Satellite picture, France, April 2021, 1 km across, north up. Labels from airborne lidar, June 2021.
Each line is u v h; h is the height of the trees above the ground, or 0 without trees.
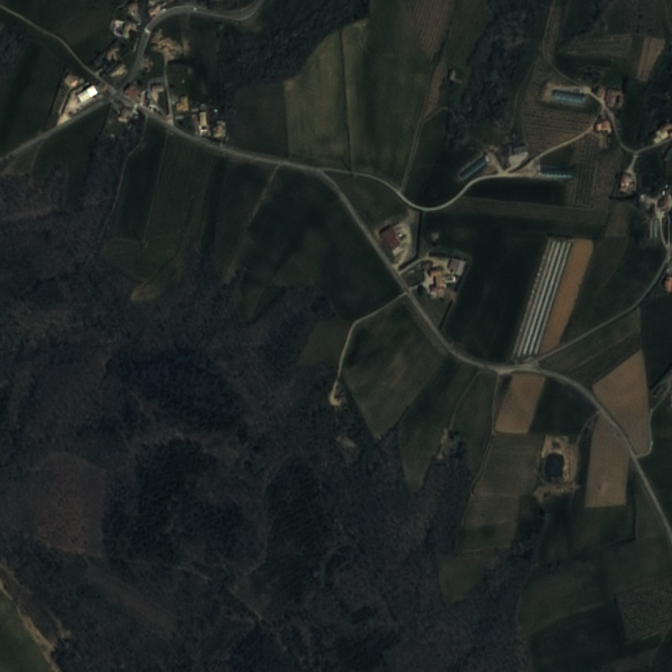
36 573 20
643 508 0
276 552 6
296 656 10
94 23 0
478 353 0
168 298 9
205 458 19
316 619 14
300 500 6
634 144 0
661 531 0
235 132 0
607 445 0
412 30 0
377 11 0
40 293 15
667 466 0
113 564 17
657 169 0
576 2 0
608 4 8
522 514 0
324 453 11
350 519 21
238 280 7
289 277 0
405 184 0
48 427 13
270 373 19
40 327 16
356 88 0
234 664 18
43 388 16
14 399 10
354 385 0
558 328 0
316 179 0
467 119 16
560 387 0
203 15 0
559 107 0
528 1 18
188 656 18
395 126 0
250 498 20
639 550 0
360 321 0
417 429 0
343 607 13
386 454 12
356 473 12
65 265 9
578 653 0
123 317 20
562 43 0
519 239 0
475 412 0
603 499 0
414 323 0
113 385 13
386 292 0
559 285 0
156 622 16
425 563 14
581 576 0
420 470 0
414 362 0
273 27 0
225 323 22
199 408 14
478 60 16
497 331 0
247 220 0
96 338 27
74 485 16
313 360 0
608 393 0
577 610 0
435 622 13
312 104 0
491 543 0
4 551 18
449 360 0
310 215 0
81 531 15
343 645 8
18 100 0
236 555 18
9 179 17
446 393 0
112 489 14
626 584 0
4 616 0
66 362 19
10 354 19
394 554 9
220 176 0
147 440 9
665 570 0
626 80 8
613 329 0
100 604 12
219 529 21
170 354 7
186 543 17
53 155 0
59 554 13
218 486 17
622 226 0
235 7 0
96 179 16
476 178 0
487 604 25
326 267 0
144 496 23
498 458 0
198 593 15
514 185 0
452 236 0
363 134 0
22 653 0
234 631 6
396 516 11
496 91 20
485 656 10
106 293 25
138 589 14
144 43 0
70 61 0
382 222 0
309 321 16
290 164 0
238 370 27
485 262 0
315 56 0
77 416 18
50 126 0
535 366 0
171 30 0
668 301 0
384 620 11
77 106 0
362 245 0
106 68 9
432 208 0
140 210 0
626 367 0
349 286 0
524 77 0
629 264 0
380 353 0
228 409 24
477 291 0
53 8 0
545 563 0
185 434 11
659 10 0
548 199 0
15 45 7
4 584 16
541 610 0
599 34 0
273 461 9
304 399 14
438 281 0
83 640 13
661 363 0
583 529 0
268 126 0
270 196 0
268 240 0
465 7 0
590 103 0
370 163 0
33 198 11
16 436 22
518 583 21
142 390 16
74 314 14
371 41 0
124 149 17
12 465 16
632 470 0
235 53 7
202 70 0
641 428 0
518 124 0
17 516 15
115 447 17
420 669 13
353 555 9
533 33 0
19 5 0
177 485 23
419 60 0
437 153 0
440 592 10
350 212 0
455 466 14
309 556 8
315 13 8
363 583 21
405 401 0
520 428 0
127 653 14
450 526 11
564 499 0
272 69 11
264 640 14
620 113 10
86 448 18
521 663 16
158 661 12
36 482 16
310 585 9
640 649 0
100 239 22
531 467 0
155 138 0
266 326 20
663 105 0
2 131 0
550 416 0
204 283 16
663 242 0
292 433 9
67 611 18
